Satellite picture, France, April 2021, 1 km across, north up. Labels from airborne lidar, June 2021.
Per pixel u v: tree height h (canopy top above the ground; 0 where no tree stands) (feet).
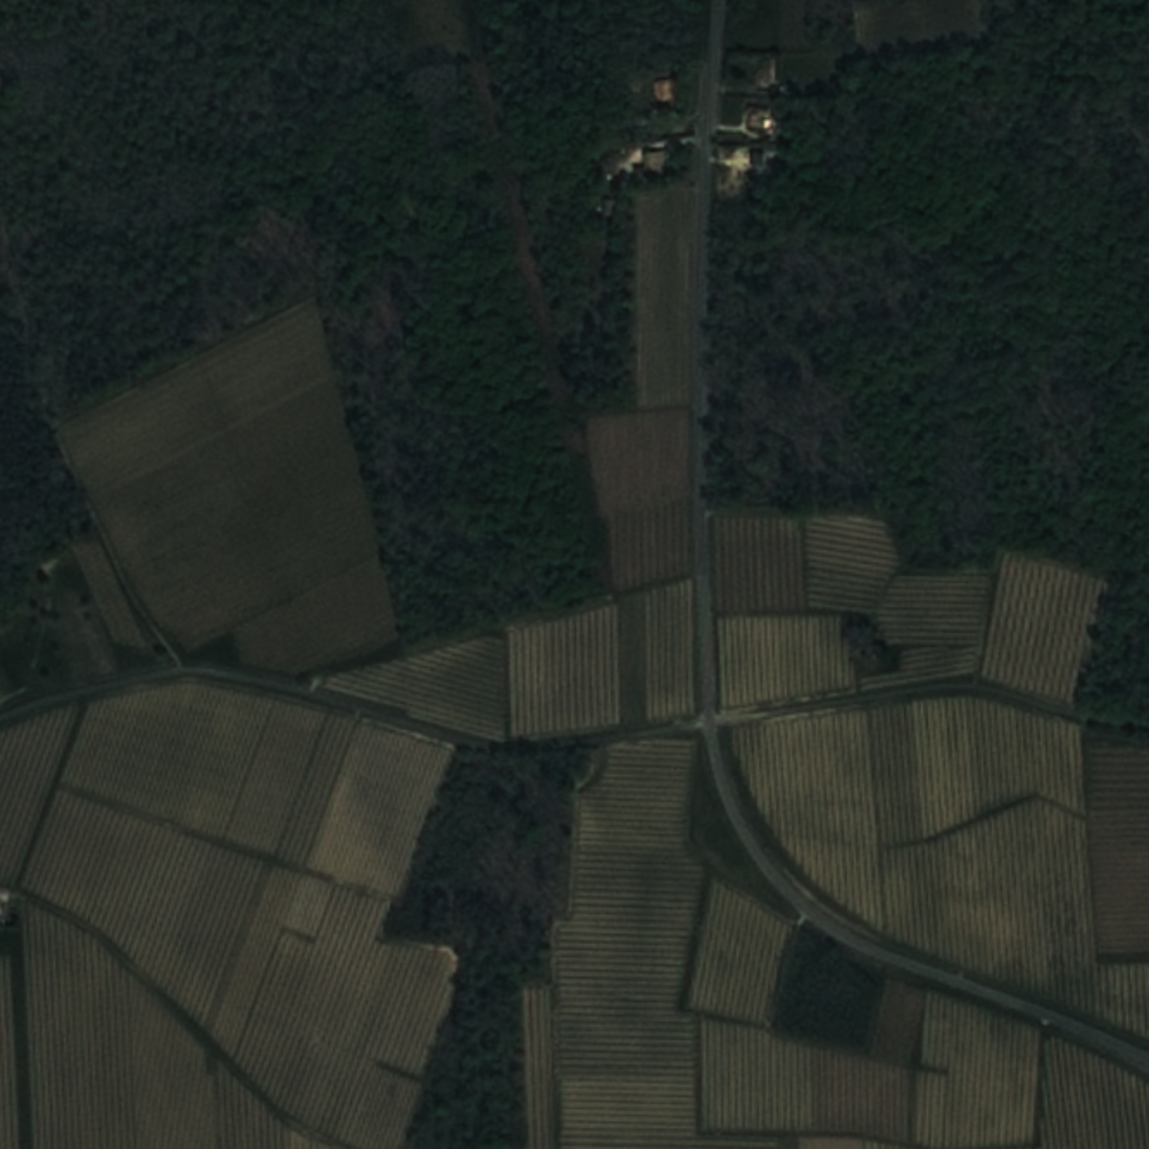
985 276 80
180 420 0
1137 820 0
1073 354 74
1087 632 0
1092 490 86
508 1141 61
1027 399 65
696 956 0
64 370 43
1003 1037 0
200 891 0
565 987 0
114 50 36
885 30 0
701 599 0
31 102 63
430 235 59
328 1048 0
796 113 44
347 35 47
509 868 44
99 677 0
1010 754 0
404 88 83
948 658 0
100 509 0
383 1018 0
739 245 52
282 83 64
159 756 0
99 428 0
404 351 59
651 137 39
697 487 0
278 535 0
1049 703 0
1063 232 60
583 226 58
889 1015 0
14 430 86
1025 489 56
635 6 72
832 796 0
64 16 39
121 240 35
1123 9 74
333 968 0
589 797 0
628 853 0
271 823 0
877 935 0
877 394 64
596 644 0
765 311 45
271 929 0
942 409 62
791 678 0
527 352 62
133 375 37
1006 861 0
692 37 66
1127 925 0
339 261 61
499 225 80
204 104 59
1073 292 73
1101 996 0
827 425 51
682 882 0
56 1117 0
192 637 0
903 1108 0
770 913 0
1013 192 78
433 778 0
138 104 55
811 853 0
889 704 0
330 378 0
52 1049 0
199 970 0
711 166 0
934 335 75
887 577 0
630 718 0
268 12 59
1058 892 0
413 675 0
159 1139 0
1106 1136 0
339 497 0
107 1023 0
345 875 0
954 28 0
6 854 0
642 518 0
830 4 26
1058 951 0
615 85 72
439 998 0
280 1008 0
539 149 83
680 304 0
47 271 47
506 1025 48
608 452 0
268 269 46
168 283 62
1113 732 35
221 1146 0
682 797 0
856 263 44
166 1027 0
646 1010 0
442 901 68
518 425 89
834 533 0
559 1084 0
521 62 51
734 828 0
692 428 0
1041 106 43
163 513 0
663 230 0
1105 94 75
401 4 41
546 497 87
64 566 0
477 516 54
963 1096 0
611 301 47
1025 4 58
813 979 69
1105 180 52
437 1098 23
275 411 0
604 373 59
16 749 0
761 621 0
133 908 0
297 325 0
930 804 0
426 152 59
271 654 0
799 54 0
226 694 0
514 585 71
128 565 0
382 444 56
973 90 49
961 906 0
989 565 44
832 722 0
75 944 0
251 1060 0
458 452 69
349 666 0
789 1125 0
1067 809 0
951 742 0
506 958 41
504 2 62
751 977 0
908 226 65
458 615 59
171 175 66
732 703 0
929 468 80
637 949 0
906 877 0
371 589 0
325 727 0
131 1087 0
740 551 0
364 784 0
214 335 44
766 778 0
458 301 83
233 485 0
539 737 0
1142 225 75
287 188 74
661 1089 0
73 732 0
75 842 0
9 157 46
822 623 0
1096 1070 0
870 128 70
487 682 0
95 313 56
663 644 0
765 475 37
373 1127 0
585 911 0
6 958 0
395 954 0
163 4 52
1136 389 73
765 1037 0
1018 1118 0
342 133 63
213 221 76
